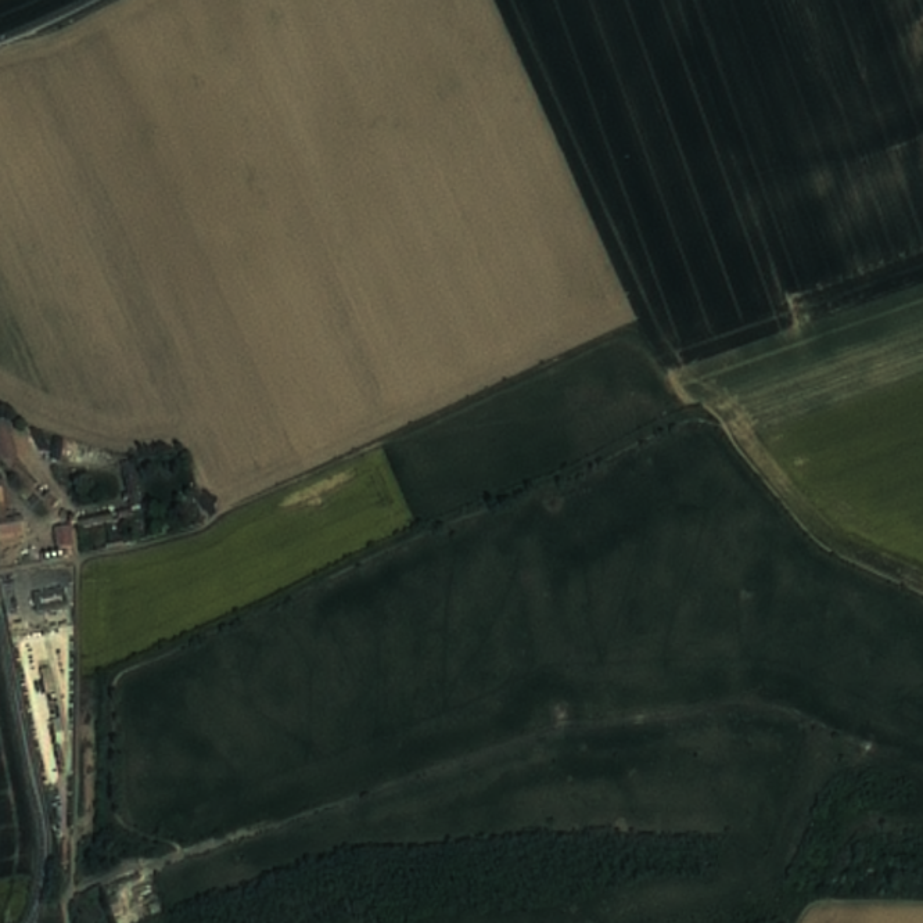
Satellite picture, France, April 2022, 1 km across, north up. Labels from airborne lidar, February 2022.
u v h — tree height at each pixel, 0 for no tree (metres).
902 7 0
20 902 0
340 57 0
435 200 0
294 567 0
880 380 0
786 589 0
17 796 0
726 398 0
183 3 0
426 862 19
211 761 0
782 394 0
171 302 0
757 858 0
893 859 8
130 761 0
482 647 0
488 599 0
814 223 0
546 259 0
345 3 0
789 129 0
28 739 0
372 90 0
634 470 0
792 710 0
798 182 0
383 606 0
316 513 0
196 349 0
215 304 0
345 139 0
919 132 0
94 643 0
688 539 0
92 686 0
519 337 0
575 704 0
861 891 10
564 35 0
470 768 0
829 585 0
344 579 0
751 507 0
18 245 0
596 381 0
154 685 0
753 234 0
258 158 0
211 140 0
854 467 0
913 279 0
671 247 0
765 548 0
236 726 0
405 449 0
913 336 0
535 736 0
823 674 0
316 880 16
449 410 0
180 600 0
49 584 0
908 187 0
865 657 0
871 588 0
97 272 0
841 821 9
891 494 0
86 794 0
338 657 0
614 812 0
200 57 0
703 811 0
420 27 0
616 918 0
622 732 0
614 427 0
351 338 0
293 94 0
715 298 0
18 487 14
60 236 0
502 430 0
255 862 0
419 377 0
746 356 0
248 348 0
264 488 0
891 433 0
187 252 0
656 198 0
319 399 0
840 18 0
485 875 17
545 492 0
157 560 0
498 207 0
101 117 0
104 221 0
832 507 0
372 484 0
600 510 0
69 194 0
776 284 0
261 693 0
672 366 0
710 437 0
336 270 0
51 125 0
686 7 0
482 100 0
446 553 0
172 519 14
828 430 0
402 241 0
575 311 0
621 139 0
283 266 0
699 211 0
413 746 0
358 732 0
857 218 0
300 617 0
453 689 0
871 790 8
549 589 0
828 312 0
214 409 0
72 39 0
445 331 0
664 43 0
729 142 0
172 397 0
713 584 0
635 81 0
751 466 0
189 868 0
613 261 0
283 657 0
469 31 0
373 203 0
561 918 0
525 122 0
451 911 15
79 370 0
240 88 0
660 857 17
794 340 0
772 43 0
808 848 12
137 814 0
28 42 0
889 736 0
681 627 0
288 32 0
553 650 0
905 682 0
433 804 0
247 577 0
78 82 0
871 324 0
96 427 0
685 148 0
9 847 0
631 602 0
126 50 0
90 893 7
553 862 17
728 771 0
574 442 0
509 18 0
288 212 0
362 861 17
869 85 0
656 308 0
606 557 0
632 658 0
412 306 0
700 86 0
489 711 0
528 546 0
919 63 0
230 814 0
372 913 12
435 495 0
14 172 0
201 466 0
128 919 0
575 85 0
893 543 0
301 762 0
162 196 0
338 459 0
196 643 9
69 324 0
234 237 0
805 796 0
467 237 0
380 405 0
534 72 0
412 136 0
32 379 0
